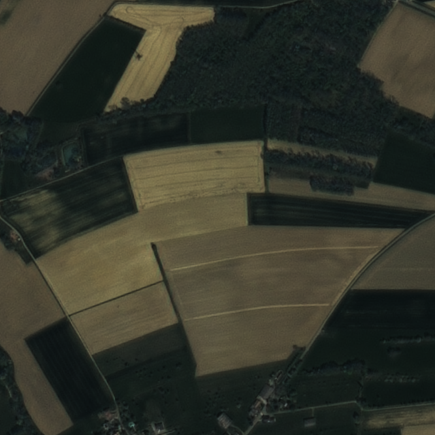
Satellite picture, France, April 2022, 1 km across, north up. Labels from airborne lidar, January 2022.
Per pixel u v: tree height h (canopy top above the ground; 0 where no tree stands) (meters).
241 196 0
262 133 0
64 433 0
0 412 0
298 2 8
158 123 0
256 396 0
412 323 0
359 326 0
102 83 0
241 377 0
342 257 0
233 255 0
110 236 0
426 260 0
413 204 0
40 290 0
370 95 30
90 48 0
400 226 0
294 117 18
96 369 0
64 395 0
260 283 0
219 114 0
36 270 0
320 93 30
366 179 20
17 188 0
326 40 28
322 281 0
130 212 0
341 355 0
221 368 0
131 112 23
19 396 19
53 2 0
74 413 0
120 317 0
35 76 0
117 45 0
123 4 0
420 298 0
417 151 0
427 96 0
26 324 0
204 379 0
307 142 16
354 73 23
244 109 0
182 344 0
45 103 0
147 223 0
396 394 0
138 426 6
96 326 0
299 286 0
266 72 22
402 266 0
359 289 0
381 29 0
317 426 0
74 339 0
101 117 21
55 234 0
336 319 0
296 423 0
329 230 0
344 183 20
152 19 0
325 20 29
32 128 16
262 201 0
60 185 0
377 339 0
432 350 0
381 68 0
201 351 0
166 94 17
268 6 0
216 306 0
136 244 0
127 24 9
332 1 19
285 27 16
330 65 30
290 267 0
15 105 0
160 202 0
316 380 0
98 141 0
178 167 0
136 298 0
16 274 0
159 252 0
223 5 0
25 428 20
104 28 0
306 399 0
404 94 0
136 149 0
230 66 18
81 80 0
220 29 28
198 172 0
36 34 0
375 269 0
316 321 0
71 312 0
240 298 0
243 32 25
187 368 0
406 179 0
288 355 0
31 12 0
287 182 0
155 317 0
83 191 0
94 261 0
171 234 0
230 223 0
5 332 0
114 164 0
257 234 0
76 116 0
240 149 0
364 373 27
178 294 0
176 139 0
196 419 0
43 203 0
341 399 0
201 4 0
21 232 0
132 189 0
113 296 0
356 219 0
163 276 0
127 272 0
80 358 0
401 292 0
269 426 0
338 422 0
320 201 0
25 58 0
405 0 0
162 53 0
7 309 0
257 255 0
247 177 0
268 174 10
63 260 0
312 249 0
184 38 17
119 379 0
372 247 0
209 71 17
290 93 27
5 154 14
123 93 0
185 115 0
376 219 0
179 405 0
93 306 0
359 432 0
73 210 0
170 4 0
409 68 0
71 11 0
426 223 0
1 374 18
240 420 0
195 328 0
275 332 0
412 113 0
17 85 0
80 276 0
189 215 0
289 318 0
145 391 0
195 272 0
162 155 0
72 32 0
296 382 0
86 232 0
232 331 0
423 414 0
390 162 0
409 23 0
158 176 0
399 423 0
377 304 0
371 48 0
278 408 17
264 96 21
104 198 0
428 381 0
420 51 0
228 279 0
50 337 0
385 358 0
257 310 0
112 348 0
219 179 0
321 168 21
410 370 0
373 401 0
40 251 0
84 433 0
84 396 0
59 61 0
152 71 0
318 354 0
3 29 0
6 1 0
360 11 26
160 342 0
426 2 0
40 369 0
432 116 0
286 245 0
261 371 0
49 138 0
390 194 0
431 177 0
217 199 0
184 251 0
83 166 6
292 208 0
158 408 0
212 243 0
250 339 0
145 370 6
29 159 21
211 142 0
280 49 15
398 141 0
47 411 0
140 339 0
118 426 7
